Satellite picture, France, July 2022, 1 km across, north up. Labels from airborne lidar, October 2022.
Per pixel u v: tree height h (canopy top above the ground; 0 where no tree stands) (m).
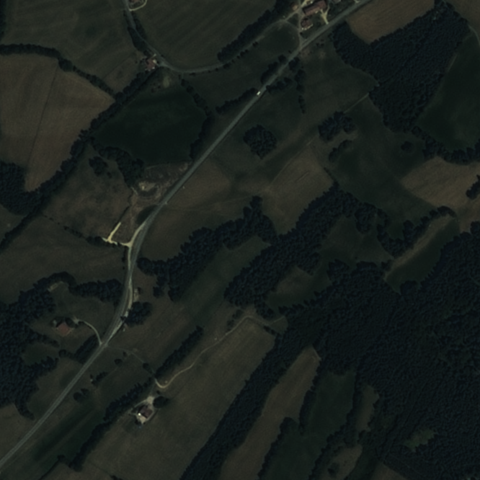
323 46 7
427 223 22
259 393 16
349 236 0
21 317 23
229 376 0
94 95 0
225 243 17
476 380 24
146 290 0
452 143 0
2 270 0
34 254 0
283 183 0
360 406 17
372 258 0
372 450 6
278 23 0
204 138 17
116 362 9
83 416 0
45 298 26
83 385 0
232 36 0
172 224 0
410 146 25
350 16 0
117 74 0
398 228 0
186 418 0
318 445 0
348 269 30
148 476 0
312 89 0
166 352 0
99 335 0
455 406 21
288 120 0
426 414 22
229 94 0
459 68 0
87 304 0
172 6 0
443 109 0
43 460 0
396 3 0
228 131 0
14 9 0
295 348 17
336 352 18
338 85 0
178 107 0
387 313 19
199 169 0
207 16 0
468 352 35
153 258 0
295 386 0
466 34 18
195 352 0
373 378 23
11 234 14
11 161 0
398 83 9
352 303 25
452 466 25
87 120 0
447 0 0
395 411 29
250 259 0
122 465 0
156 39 0
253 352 0
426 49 21
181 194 0
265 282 23
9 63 0
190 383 0
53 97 0
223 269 0
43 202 22
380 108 12
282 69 0
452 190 0
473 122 0
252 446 0
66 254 0
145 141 0
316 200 0
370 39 0
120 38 0
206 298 0
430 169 0
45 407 0
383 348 27
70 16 0
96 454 0
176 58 0
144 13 0
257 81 0
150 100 0
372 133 0
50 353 0
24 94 0
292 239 20
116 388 0
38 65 0
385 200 0
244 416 19
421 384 19
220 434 15
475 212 0
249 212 25
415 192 0
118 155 15
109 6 0
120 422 0
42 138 0
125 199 0
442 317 21
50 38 0
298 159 0
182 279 19
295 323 8
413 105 11
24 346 19
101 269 0
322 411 0
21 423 0
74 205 0
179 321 0
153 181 0
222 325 0
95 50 0
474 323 31
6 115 0
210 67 0
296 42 0
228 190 0
